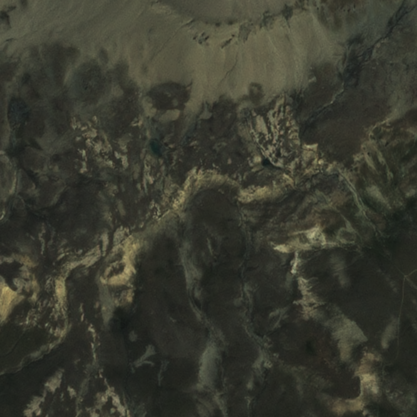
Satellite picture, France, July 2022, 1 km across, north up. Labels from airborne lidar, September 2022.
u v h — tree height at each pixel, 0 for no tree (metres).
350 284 0
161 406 0
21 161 0
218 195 0
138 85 0
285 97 0
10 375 0
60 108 0
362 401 0
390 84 0
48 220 0
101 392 0
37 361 0
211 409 0
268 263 0
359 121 0
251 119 0
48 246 0
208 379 0
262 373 0
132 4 0
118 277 0
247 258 0
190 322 0
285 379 0
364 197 0
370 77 0
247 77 0
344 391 0
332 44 0
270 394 0
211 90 0
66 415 0
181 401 0
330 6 0
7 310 0
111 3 0
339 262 0
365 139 0
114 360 0
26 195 0
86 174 0
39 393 0
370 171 0
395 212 0
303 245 0
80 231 0
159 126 0
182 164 0
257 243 0
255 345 0
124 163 0
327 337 0
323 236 0
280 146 0
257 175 0
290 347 0
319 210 0
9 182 0
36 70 0
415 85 0
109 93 0
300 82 0
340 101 0
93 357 0
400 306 0
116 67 0
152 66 0
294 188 0
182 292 0
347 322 0
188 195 0
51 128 0
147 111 0
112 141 0
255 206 0
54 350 0
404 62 0
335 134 0
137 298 0
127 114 0
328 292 0
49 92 0
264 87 0
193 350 0
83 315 0
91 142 0
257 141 0
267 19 0
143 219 0
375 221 0
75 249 0
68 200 0
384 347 0
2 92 0
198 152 0
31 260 0
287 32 0
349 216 0
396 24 0
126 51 0
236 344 0
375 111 0
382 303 0
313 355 0
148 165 0
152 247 0
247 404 0
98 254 0
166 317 0
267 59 0
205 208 0
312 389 0
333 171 0
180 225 0
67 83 0
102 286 0
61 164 0
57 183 0
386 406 0
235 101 0
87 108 0
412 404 0
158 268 0
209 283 0
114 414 0
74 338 0
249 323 0
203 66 0
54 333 0
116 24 0
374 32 0
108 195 0
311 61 0
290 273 0
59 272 0
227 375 0
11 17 0
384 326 0
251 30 16
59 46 0
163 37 0
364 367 0
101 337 0
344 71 0
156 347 0
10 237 0
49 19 0
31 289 0
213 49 0
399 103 0
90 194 0
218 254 0
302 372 0
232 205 0
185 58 0
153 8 0
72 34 0
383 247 0
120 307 0
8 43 0
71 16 0
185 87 0
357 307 0
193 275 0
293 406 0
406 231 0
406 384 0
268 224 0
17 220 0
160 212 0
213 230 0
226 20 0
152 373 0
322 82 0
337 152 0
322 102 0
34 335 0
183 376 0
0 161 0
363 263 0
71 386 0
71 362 0
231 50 0
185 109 0
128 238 0
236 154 0
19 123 0
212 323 0
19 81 0
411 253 0
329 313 0
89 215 0
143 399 0
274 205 0
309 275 0
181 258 0
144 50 0
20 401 0
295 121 0
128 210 0
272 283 0
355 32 0
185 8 0
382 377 0
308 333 0
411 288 0
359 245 0
